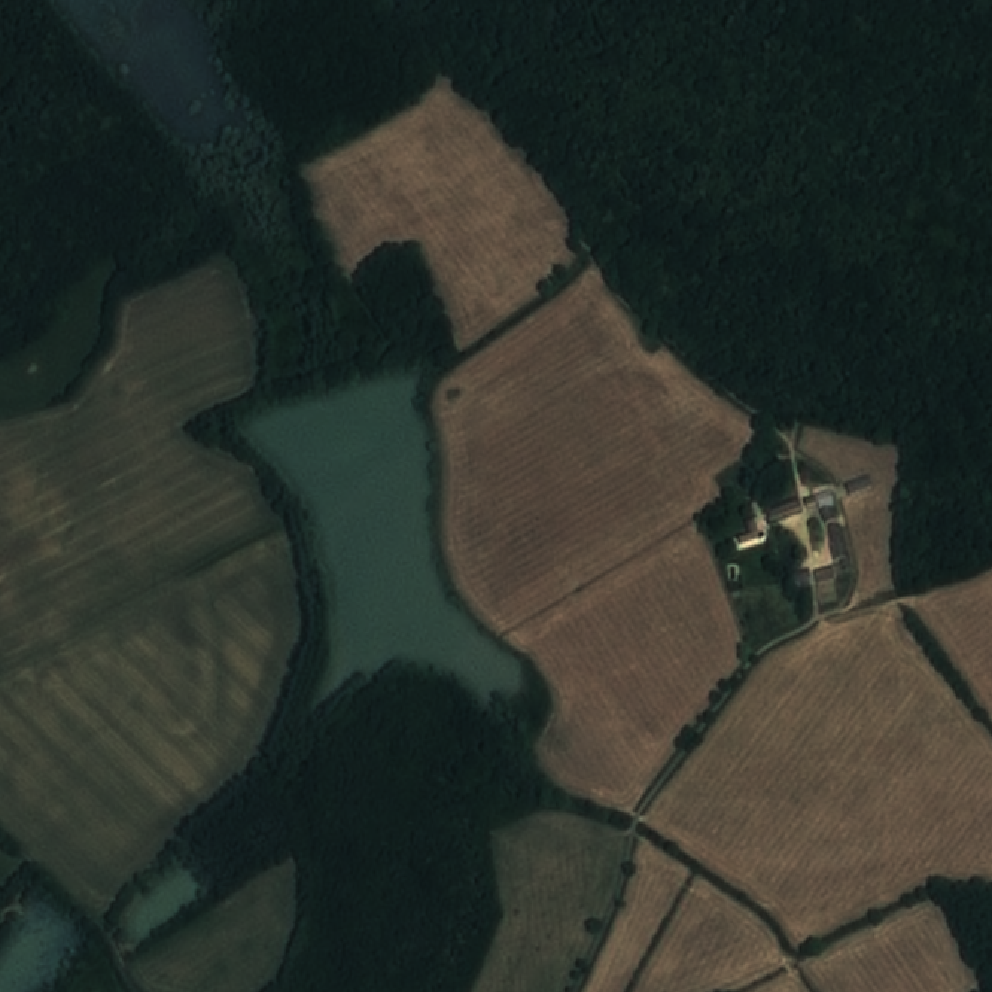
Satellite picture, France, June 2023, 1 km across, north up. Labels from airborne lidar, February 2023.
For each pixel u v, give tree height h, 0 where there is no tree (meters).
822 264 16
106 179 18
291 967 13
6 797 0
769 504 18
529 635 0
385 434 0
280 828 34
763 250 18
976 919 19
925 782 0
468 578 0
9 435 0
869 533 0
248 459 18
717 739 0
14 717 0
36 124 20
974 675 0
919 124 19
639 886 0
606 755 0
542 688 0
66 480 0
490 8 27
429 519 0
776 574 9
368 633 0
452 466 0
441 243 0
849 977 0
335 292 21
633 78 17
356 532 0
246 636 0
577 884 0
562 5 23
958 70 19
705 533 13
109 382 0
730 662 0
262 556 0
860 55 19
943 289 13
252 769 12
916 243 6
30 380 0
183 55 0
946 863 0
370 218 0
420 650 0
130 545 0
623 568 0
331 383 17
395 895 17
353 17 16
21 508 0
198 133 0
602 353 0
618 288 17
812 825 0
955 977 0
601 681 0
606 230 19
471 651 0
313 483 0
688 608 0
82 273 22
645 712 0
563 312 0
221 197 11
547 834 0
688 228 23
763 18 22
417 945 20
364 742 14
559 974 0
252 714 0
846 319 19
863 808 0
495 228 0
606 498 0
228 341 0
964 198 16
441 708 14
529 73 22
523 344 0
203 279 0
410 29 24
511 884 0
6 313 18
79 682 0
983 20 20
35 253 19
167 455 0
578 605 0
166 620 0
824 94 16
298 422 0
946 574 15
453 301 0
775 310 18
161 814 0
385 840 14
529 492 0
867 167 18
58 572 0
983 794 0
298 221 13
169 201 22
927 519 16
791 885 0
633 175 17
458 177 0
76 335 0
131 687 0
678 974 0
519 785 20
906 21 24
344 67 9
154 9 0
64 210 21
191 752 0
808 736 0
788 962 0
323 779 15
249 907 0
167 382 0
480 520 0
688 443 0
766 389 17
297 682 26
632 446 0
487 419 0
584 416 0
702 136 18
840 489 0
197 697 0
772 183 18
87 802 0
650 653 0
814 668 0
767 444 21
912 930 0
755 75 18
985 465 20
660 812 0
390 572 0
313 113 15
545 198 0
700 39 20
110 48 0
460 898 17
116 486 0
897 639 0
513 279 0
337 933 20
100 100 19
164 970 0
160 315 0
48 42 21
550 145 17
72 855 0
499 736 21
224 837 37
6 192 19
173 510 0
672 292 17
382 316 14
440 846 16
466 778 16
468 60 23
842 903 0
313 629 26
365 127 7
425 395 10
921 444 19
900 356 21
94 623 0
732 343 19
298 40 11
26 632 0
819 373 21
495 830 7
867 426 12
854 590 0
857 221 19
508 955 0
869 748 0
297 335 0
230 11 13
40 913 0
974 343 18
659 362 0
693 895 0
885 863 0
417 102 14
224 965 0
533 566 0
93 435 0
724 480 0
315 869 18
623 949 0
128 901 13
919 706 0
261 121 10
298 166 18
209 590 0
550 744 0
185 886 0
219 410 13
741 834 0
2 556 0
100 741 0
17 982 0
